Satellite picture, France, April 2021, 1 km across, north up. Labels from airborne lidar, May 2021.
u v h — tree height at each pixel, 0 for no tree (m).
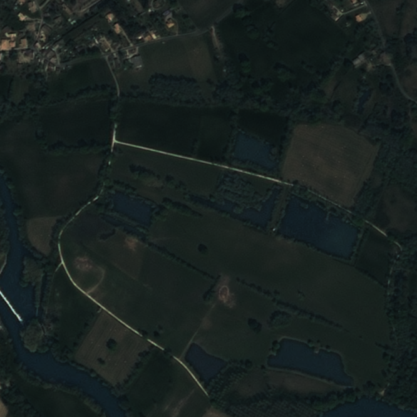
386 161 21
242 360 0
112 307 0
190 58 0
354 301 0
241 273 0
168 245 0
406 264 12
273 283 0
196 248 0
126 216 7
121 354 0
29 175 0
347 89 0
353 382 0
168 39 0
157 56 0
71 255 0
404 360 18
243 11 22
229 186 10
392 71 0
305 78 0
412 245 17
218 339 0
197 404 0
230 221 0
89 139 0
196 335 0
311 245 7
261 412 25
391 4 0
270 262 0
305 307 0
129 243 0
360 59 0
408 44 17
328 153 0
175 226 0
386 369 0
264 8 0
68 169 0
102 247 0
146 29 9
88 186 0
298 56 0
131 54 0
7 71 19
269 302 0
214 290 10
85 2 0
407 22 0
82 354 0
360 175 0
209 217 0
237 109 21
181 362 0
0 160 0
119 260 0
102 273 0
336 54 0
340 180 0
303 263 0
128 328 0
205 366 0
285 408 27
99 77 0
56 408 0
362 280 0
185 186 11
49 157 0
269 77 0
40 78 16
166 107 0
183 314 0
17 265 0
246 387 0
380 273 0
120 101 12
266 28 0
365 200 14
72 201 0
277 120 0
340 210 13
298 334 0
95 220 0
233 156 9
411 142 19
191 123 0
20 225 14
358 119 0
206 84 0
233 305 0
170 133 0
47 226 0
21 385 0
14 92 11
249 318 0
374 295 0
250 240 0
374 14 0
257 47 0
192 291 0
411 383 14
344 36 0
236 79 23
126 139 0
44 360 0
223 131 0
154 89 17
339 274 0
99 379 11
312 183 0
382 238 0
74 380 0
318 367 0
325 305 0
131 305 0
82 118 0
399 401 17
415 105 11
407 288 25
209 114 0
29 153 0
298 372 0
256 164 7
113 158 22
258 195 9
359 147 0
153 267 0
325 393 0
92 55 17
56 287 0
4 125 0
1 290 0
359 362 0
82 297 0
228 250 0
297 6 0
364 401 0
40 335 33
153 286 0
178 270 0
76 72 0
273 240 0
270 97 15
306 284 0
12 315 0
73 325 0
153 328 0
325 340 0
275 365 0
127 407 26
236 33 0
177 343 0
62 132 0
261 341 0
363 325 0
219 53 0
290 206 0
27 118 18
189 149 0
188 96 20
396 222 0
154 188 0
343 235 0
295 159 0
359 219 20
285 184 10
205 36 0
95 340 0
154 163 0
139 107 0
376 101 0
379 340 0
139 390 0
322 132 0
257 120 0
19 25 0
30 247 7
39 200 0
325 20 0
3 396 10
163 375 0
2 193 0
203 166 0
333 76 11
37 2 0
